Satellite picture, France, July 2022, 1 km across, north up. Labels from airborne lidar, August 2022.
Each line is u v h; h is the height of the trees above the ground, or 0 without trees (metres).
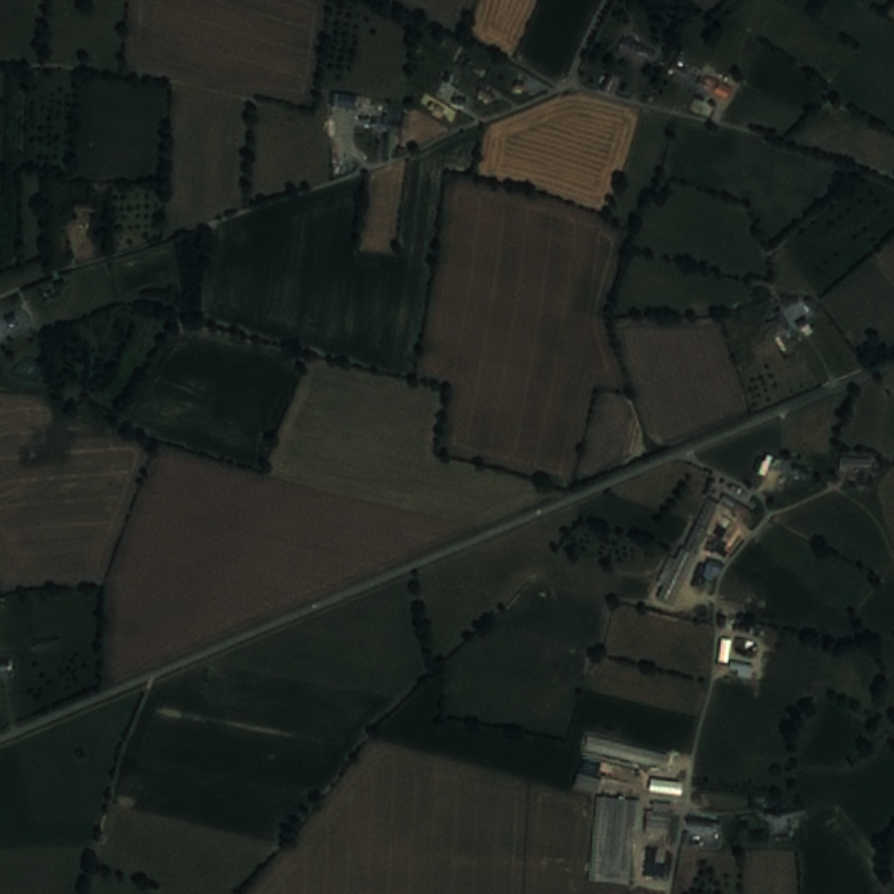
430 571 0
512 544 0
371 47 0
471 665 0
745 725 0
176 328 13
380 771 0
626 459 0
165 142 17
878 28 0
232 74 0
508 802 0
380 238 0
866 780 0
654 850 0
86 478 0
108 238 14
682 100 0
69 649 0
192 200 0
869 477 0
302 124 0
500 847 0
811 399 0
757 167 0
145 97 0
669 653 0
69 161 15
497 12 0
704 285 0
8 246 7
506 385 0
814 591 0
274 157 0
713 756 0
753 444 0
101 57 0
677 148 0
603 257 0
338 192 0
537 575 0
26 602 10
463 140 0
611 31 0
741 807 0
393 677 0
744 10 0
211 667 0
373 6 17
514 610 0
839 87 0
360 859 0
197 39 0
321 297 0
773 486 0
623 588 0
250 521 0
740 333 0
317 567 0
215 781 0
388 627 0
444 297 0
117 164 0
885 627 0
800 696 0
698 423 0
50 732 0
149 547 0
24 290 7
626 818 0
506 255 0
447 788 0
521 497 0
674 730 0
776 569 0
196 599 0
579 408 0
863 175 7
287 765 0
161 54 0
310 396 0
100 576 0
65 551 0
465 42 16
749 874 0
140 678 0
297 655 0
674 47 13
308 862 0
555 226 0
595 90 0
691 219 0
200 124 0
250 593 0
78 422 0
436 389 9
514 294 0
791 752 12
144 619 0
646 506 0
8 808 0
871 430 0
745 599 0
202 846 0
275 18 0
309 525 0
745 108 0
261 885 0
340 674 0
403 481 0
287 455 0
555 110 0
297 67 0
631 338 0
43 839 0
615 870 0
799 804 8
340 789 0
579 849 0
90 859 19
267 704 0
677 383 0
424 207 0
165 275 0
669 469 0
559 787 0
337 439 0
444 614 0
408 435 0
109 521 0
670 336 0
